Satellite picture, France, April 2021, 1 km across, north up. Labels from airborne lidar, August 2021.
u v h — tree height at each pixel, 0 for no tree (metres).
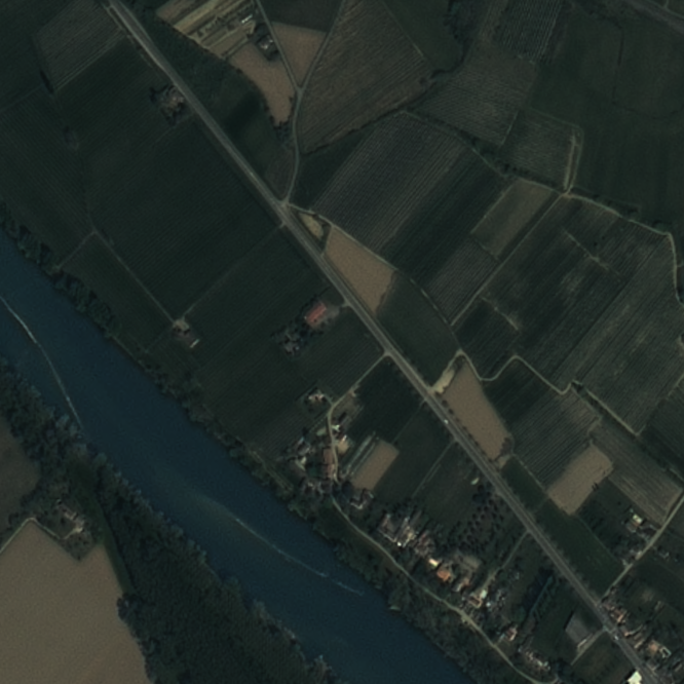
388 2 0
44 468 27
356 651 0
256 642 30
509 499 0
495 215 0
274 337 9
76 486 13
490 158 12
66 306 0
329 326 8
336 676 0
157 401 0
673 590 0
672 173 0
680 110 0
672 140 0
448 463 0
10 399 40
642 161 0
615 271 0
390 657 0
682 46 0
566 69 0
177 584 35
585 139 0
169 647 42
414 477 0
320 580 0
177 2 0
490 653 12
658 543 0
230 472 0
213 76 7
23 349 0
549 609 7
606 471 0
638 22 0
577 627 0
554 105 0
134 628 35
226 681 34
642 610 9
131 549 31
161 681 36
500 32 6
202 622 37
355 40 0
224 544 0
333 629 0
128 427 0
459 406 0
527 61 0
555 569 9
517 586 11
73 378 0
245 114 0
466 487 0
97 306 32
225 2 0
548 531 8
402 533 0
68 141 12
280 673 30
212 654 36
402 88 0
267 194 0
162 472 0
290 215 0
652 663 0
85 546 7
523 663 6
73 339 0
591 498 0
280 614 0
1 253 0
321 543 0
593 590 10
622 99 0
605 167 0
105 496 27
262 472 15
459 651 22
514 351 0
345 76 0
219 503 0
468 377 0
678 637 22
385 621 0
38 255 31
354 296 0
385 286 0
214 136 0
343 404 0
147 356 0
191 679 34
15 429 30
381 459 0
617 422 8
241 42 0
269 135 0
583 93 0
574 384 6
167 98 11
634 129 0
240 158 0
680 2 0
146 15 16
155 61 0
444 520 0
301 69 0
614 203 6
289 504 16
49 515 14
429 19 0
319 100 0
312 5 0
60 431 34
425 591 18
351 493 16
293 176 0
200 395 12
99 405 0
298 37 0
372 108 0
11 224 29
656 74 0
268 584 0
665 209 0
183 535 25
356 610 0
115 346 0
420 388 0
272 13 0
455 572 12
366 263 0
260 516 0
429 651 0
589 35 0
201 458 0
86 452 34
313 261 0
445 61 0
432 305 0
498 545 11
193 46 6
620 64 0
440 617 13
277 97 0
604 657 0
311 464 6
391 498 0
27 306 0
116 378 0
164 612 36
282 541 0
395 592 21
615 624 0
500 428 0
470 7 12
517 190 0
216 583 26
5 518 0
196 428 0
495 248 0
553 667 14
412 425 0
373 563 13
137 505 25
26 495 0
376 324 0
